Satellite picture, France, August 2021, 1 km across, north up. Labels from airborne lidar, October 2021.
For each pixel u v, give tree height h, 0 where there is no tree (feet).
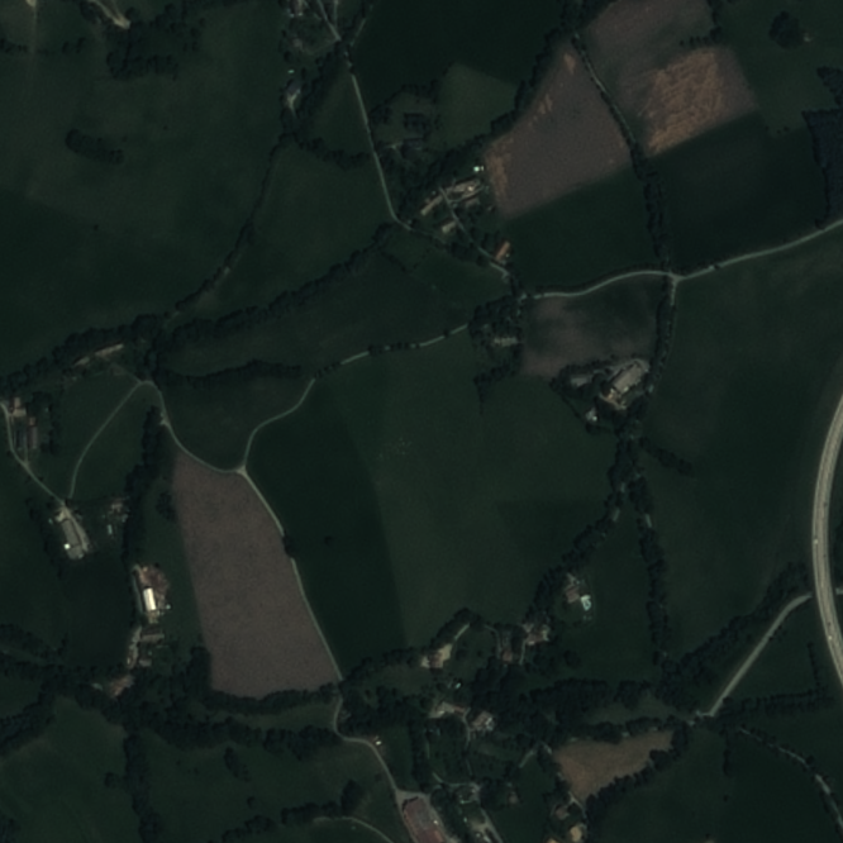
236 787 0
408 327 0
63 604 0
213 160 0
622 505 54
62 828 0
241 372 47
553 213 0
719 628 0
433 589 0
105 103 0
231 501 0
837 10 0
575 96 0
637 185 0
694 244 0
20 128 0
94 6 40
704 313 0
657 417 0
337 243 0
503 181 0
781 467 0
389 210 0
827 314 0
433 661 0
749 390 0
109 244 0
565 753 0
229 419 0
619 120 35
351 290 0
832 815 49
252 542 0
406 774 0
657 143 0
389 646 0
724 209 0
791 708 48
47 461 0
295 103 0
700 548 0
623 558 0
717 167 0
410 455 0
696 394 0
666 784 0
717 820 0
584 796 0
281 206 0
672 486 0
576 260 0
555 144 0
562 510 0
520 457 0
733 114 0
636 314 0
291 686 0
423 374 0
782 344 0
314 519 0
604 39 0
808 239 0
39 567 0
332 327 0
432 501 0
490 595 0
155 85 0
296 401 0
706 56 0
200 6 47
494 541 0
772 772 0
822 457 0
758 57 0
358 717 83
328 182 0
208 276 0
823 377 0
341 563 0
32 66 0
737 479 0
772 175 0
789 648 0
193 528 0
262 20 0
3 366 0
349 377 0
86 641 0
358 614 0
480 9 0
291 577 0
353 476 0
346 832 0
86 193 0
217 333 61
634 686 71
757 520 0
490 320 30
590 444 0
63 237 0
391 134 0
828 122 69
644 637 0
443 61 0
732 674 0
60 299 0
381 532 0
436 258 0
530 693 0
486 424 0
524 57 0
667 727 36
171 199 0
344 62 33
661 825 0
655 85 0
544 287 22
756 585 0
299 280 0
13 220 0
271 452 0
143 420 0
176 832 0
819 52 0
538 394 0
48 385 0
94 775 0
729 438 0
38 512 41
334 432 0
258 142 0
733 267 0
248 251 0
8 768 0
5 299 0
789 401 0
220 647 0
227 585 0
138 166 0
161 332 57
